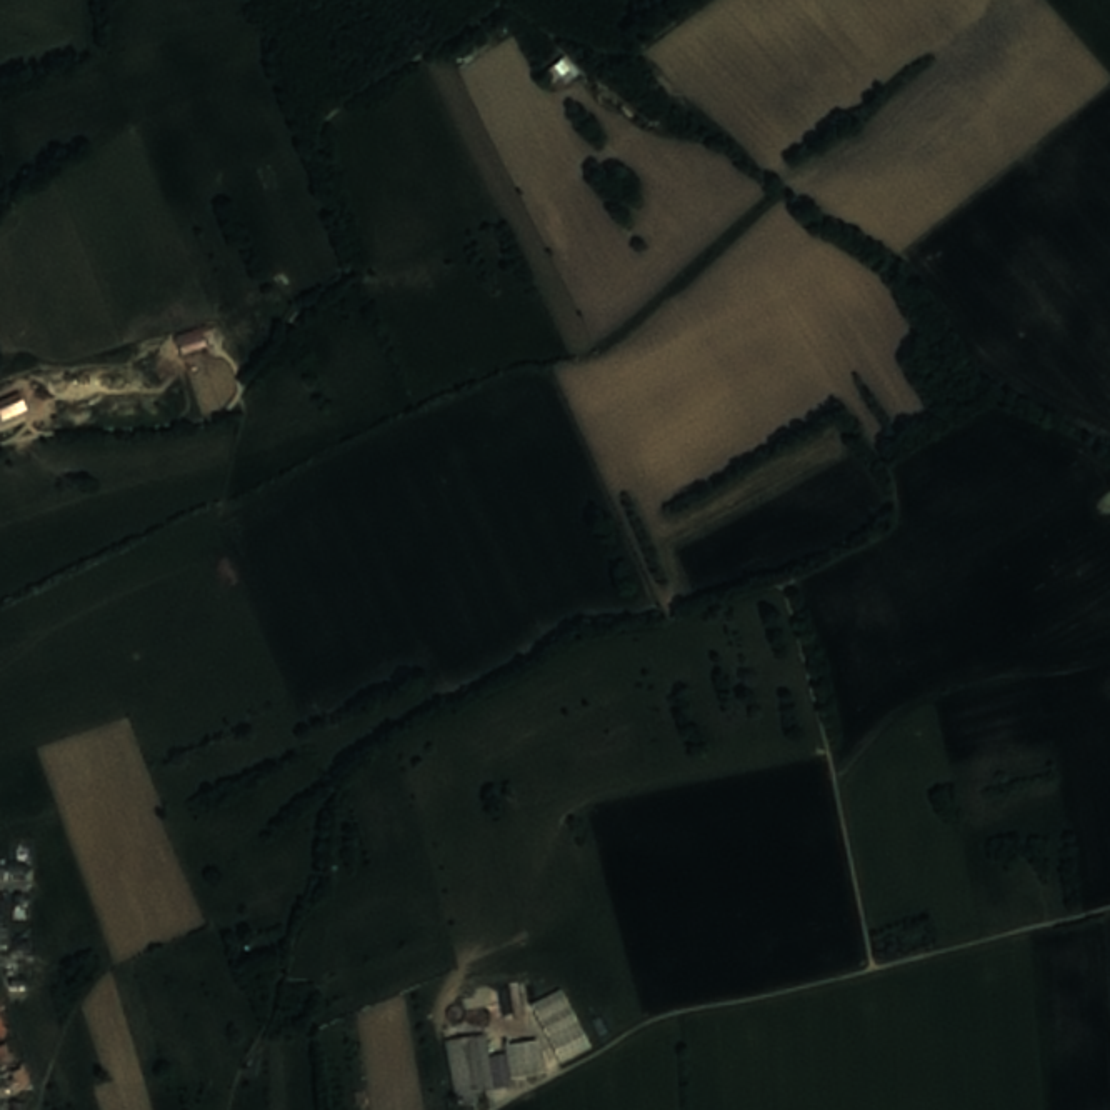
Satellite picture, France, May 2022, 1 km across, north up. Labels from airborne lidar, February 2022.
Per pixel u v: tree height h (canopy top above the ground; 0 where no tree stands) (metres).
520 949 0
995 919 0
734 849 0
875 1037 0
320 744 0
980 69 0
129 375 0
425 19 18
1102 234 0
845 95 0
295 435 0
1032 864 10
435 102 0
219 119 0
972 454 0
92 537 0
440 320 0
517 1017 0
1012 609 0
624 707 0
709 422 0
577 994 0
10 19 0
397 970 0
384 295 0
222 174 0
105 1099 0
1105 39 0
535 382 0
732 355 0
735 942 0
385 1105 0
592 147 12
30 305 0
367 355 0
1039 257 0
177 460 0
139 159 0
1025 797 0
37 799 0
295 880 0
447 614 0
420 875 0
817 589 0
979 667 0
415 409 6
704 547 0
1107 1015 0
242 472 0
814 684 9
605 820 0
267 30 9
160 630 0
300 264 0
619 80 17
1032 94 0
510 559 0
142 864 0
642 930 0
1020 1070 0
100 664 0
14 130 0
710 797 0
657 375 0
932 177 0
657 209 0
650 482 0
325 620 0
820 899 0
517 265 8
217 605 0
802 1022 0
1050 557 0
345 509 0
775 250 0
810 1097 0
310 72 10
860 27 0
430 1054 0
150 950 7
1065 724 0
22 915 0
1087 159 0
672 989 0
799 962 0
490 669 0
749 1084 0
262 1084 0
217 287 0
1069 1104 0
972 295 0
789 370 0
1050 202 0
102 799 0
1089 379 0
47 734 0
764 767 0
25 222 0
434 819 0
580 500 0
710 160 0
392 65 14
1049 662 0
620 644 0
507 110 0
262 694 0
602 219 0
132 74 0
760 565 0
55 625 0
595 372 0
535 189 0
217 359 0
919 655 0
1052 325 0
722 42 0
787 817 0
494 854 0
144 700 0
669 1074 0
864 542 10
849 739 0
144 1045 0
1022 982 0
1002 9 0
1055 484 0
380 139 0
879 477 9
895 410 0
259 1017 7
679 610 11
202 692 0
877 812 0
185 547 0
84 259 0
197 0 0
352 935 0
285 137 0
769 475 0
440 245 0
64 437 11
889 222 0
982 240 0
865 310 0
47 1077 0
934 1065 0
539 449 0
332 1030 0
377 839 0
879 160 0
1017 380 0
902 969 0
